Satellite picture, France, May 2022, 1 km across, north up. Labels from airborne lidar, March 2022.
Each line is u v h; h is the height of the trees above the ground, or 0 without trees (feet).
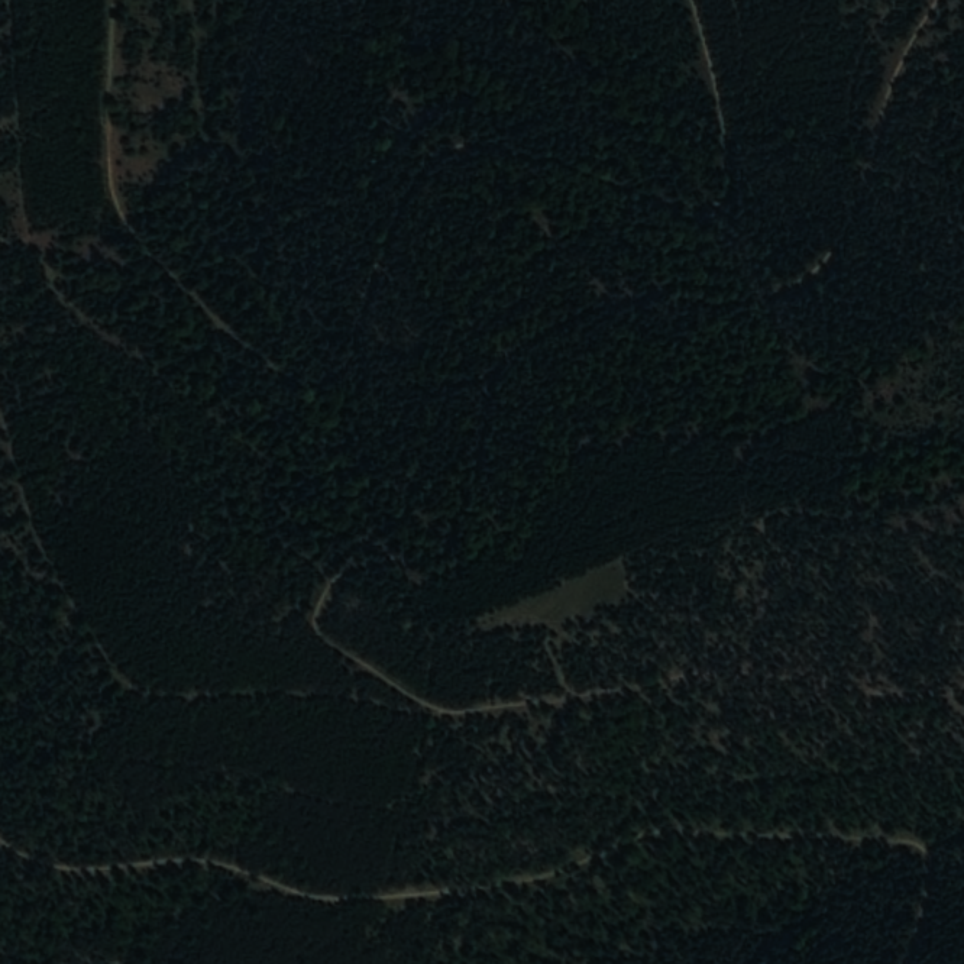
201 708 32
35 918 54
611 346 90
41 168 25
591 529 37
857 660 106
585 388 68
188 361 68
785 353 100
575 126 75
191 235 49
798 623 98
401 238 73
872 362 72
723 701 104
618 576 0
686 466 43
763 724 98
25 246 39
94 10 23
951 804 93
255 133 78
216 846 34
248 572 42
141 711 36
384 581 41
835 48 22
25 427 42
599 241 83
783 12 36
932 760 86
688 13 43
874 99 35
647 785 80
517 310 72
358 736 41
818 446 46
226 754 39
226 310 105
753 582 0
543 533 36
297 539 61
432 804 33
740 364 89
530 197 82
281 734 42
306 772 43
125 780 42
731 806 97
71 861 94
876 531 73
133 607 33
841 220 85
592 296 86
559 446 66
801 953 84
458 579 45
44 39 26
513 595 39
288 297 88
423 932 38
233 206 108
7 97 46
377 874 44
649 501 41
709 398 60
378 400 82
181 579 49
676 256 96
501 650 34
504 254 56
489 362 78
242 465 30
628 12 28
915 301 73
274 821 46
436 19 76
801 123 30
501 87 100
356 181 86
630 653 21
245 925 41
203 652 35
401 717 50
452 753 32
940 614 101
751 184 86
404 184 76
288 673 39
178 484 54
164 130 38
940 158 62
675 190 88
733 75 40
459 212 66
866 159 66
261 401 106
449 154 66
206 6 22
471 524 76
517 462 73
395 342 80
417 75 75
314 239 74
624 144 90
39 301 55
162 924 28
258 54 76
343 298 76
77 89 29
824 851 98
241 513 22
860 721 85
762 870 105
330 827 43
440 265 69
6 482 25
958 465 52
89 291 51
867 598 89
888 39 41
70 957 70
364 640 48
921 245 79
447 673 52
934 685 67
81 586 45
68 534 47
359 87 60
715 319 97
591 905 114
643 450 38
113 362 44
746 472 54
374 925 29
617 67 72
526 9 92
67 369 50
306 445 93
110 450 43
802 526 70
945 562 90
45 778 84
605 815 68
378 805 42
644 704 89
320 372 92
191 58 26
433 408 78
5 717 89
